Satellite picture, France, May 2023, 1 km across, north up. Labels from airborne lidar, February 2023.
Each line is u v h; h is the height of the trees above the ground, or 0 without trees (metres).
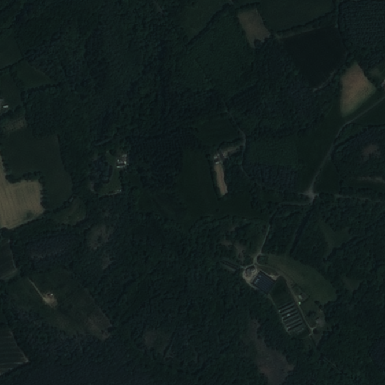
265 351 0
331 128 0
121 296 15
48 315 0
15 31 9
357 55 17
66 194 0
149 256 20
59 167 0
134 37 7
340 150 11
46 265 21
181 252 20
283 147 17
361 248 16
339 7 17
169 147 39
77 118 22
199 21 0
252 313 16
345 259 15
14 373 16
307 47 0
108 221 9
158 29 21
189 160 0
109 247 14
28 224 12
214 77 19
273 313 19
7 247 0
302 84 15
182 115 34
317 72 0
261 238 0
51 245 17
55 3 20
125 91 10
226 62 18
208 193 0
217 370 11
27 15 22
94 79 33
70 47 22
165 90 36
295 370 10
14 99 0
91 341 9
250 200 0
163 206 0
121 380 13
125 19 12
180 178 0
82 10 19
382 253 11
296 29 13
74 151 20
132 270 17
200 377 16
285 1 0
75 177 16
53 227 11
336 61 0
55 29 13
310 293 0
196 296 17
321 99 22
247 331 7
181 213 0
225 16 13
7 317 16
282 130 15
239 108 23
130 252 19
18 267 18
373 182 0
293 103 16
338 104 0
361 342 20
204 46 18
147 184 24
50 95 25
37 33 7
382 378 22
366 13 19
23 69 0
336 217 23
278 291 0
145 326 21
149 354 7
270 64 15
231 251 6
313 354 14
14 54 0
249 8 13
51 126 20
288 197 15
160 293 14
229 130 0
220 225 14
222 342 16
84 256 11
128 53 10
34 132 15
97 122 16
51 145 0
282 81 13
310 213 15
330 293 0
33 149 0
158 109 16
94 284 19
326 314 17
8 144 0
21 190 0
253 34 0
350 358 17
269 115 10
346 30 19
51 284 0
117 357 16
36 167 0
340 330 21
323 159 0
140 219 17
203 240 9
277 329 19
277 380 0
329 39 0
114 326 22
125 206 10
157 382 14
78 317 0
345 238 0
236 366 16
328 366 10
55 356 12
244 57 17
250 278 0
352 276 13
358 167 9
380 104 0
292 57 0
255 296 25
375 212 17
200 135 0
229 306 10
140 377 13
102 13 18
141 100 12
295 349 17
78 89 25
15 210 0
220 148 8
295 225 21
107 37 14
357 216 8
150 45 12
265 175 18
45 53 25
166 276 21
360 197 17
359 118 0
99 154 11
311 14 0
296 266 0
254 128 9
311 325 0
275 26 0
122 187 15
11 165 0
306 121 18
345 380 19
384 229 21
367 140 14
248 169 17
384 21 20
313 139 0
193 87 16
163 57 32
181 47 13
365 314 24
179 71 15
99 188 17
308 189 0
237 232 20
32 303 0
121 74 11
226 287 19
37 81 0
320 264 20
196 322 6
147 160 32
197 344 12
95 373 14
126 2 24
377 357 19
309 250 13
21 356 0
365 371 16
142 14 17
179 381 16
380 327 15
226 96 18
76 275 20
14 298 0
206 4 0
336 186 0
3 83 0
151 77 28
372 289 14
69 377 15
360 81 0
